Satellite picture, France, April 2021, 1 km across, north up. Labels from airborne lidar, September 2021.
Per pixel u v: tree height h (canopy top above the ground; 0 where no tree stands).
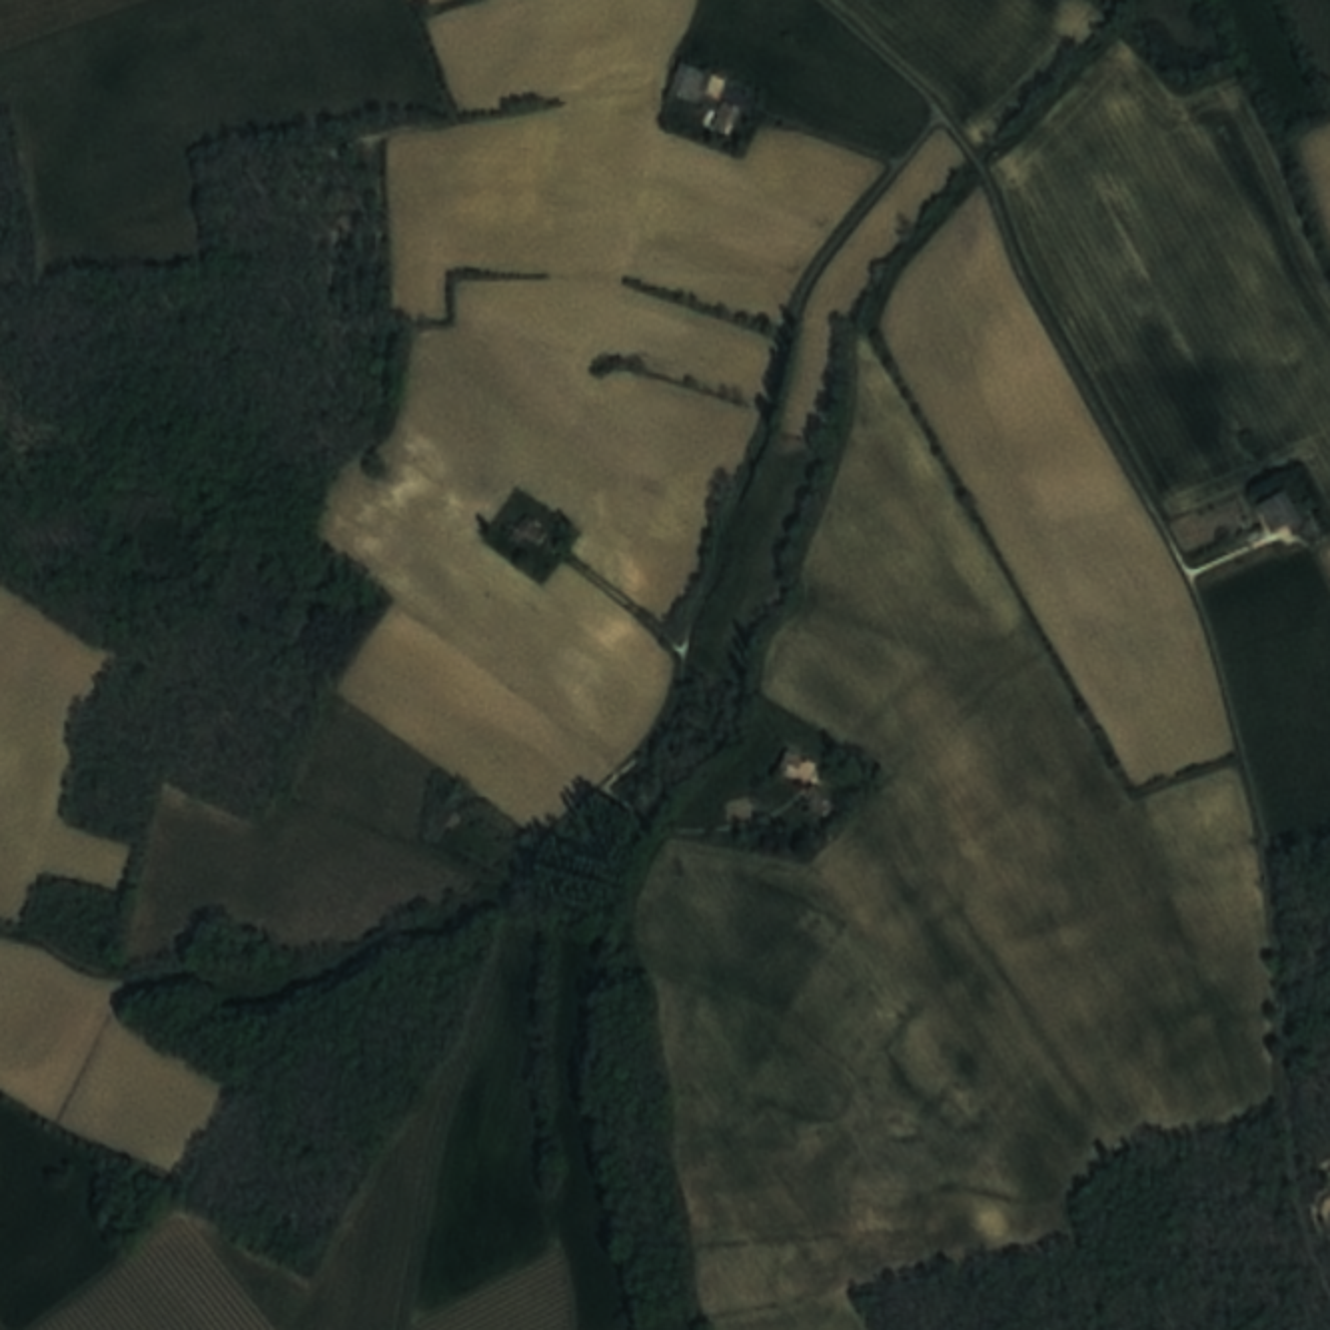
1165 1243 14
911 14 0
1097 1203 16
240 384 22
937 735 0
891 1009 0
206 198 16
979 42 0
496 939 20
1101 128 0
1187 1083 0
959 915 0
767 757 0
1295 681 0
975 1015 0
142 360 19
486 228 0
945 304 0
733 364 0
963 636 0
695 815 0
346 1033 25
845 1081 0
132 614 8
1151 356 0
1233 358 0
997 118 0
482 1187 0
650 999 23
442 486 0
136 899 16
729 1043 0
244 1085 19
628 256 0
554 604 0
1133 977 0
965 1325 23
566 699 0
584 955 0
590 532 0
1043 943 0
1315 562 0
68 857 0
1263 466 0
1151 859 0
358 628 15
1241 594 0
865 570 0
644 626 11
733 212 0
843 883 0
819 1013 0
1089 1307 11
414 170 0
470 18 0
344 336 18
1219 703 0
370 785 0
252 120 0
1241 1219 16
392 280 11
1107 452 0
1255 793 0
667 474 0
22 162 17
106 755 18
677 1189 15
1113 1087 0
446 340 0
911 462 0
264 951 17
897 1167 0
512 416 0
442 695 0
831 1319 0
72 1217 0
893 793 0
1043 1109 0
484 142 0
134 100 0
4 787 0
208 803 15
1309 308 0
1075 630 0
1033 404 0
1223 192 0
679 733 13
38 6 0
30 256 19
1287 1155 14
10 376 15
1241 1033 0
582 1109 18
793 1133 0
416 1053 19
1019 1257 12
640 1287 22
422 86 0
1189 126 0
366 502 0
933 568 0
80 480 24
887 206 0
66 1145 12
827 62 0
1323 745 0
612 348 0
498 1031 0
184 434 22
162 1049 18
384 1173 0
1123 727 0
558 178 0
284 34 0
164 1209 19
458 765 0
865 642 0
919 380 0
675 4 0
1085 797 0
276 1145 19
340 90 0
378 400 15
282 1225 16
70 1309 0
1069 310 0
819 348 0
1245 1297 11
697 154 0
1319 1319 14
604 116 0
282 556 21
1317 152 0
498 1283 0
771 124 6
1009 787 0
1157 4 0
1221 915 0
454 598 0
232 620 12
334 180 18
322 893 0
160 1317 0
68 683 0
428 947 17
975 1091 0
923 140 0
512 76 0
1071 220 0
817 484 15
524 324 0
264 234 17
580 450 0
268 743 19
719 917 0
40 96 0
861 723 0
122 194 0
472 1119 0
